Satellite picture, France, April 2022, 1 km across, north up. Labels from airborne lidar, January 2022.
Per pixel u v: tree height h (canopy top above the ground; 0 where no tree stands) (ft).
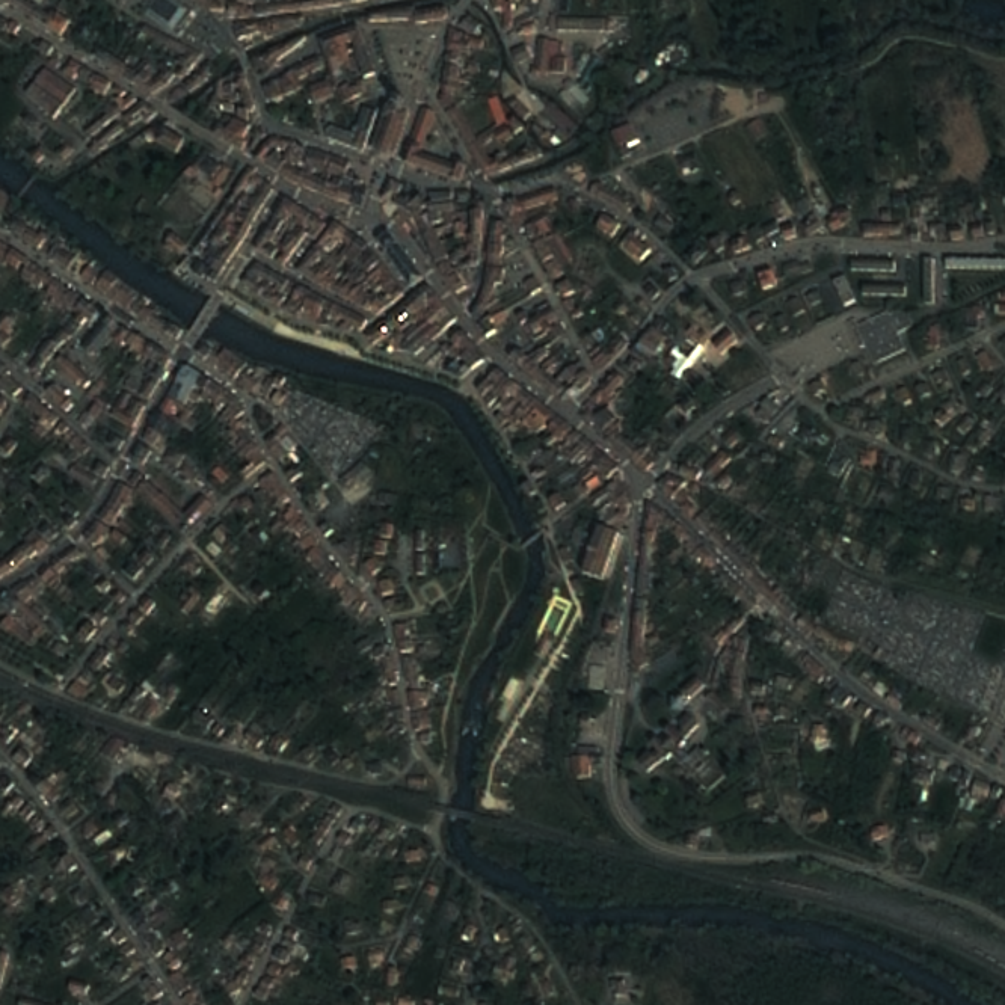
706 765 0
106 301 0
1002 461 33
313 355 0
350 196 0
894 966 0
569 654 0
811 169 0
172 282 0
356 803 0
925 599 0
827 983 52
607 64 26
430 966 0
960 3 46
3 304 0
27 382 0
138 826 62
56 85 0
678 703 0
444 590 0
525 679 0
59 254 0
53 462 0
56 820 0
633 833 0
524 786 0
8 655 21
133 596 0
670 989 0
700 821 33
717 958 61
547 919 57
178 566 41
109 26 38
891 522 47
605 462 0
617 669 0
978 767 0
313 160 0
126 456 0
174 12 0
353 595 0
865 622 0
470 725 0
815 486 0
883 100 0
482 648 0
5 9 0
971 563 0
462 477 26
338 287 0
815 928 0
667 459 0
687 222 42
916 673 0
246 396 0
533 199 0
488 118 0
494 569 0
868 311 0
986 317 0
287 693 36
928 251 0
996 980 0
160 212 0
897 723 0
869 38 75
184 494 0
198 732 0
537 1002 18
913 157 0
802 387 35
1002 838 22
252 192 0
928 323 27
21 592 0
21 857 20
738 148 0
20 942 0
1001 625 0
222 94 0
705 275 0
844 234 0
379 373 0
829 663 0
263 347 0
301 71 0
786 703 0
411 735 0
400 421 47
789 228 0
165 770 30
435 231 0
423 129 0
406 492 0
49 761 37
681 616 0
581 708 45
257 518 0
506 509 0
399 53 0
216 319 0
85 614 24
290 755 0
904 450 0
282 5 0
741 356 46
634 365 0
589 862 33
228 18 0
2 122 0
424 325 0
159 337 0
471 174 0
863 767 26
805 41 65
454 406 0
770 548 18
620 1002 0
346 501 0
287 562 17
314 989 0
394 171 0
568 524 0
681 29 43
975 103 19
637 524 0
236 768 36
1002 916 40
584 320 0
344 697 0
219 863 58
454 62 0
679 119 0
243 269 0
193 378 0
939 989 0
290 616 0
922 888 0
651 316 0
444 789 0
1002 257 0
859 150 30
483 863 0
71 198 36
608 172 0
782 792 0
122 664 18
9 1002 0
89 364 0
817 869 60
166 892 28
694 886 54
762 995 51
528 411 0
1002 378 0
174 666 0
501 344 0
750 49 72
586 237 39
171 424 0
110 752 0
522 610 0
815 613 0
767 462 24
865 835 32
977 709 0
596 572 0
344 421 0
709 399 48
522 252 0
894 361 0
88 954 0
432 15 0
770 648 26
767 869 34
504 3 0
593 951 34
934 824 31
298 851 0
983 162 0
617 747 0
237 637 23
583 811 0
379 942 0
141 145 0
